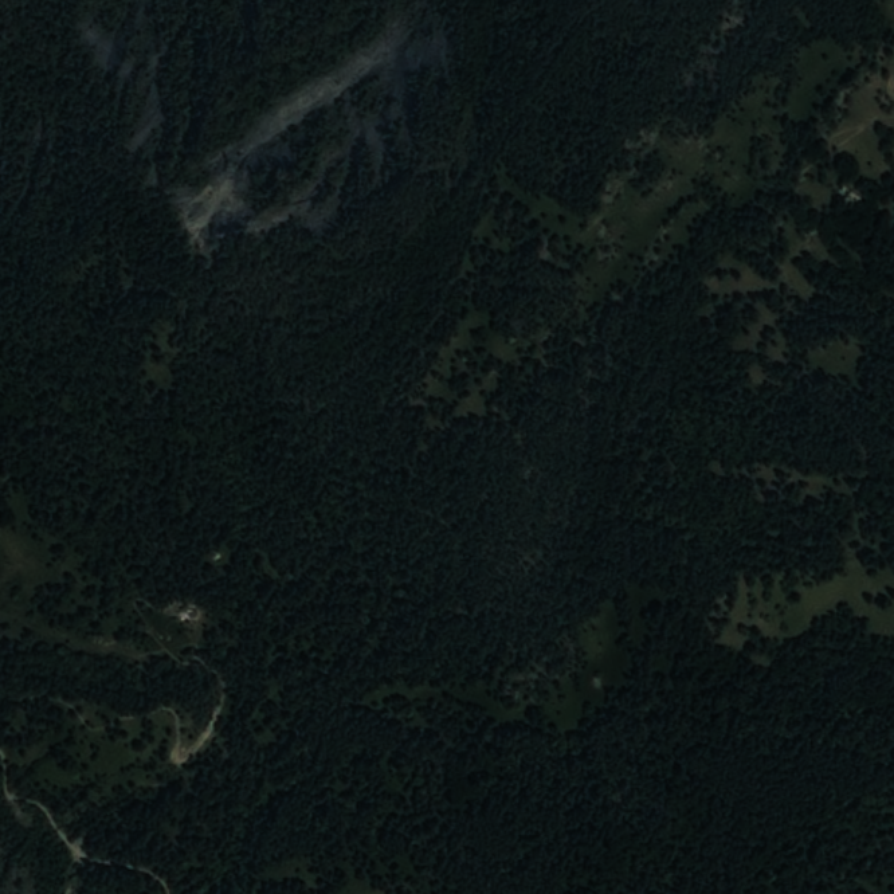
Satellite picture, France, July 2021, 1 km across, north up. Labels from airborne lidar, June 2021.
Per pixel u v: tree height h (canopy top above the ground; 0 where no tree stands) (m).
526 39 16
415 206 21
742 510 10
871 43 19
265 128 0
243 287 15
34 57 14
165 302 20
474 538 20
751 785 29
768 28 15
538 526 16
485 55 11
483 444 30
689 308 29
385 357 21
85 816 7
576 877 20
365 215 15
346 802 13
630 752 15
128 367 25
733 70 15
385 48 0
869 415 26
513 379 16
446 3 7
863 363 13
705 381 9
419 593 26
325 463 15
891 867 11
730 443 10
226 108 9
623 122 16
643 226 0
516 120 13
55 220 16
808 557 20
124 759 0
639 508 9
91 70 11
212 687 14
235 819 24
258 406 14
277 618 14
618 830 31
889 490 13
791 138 15
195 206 0
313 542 19
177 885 17
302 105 0
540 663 16
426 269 14
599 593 21
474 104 9
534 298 15
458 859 24
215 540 19
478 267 11
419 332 21
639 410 7
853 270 15
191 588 25
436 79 8
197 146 19
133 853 26
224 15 12
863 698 21
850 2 23
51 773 0
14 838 9
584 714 7
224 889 6
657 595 0
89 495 20
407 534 24
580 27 19
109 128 16
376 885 11
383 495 25
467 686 11
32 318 17
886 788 11
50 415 10
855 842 20
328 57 9
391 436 24
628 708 18
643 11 13
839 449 25
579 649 8
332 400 11
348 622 24
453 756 27
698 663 19
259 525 22
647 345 19
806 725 24
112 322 27
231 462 13
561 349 12
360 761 22
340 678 25
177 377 10
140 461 24
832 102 12
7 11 10
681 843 14
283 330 14
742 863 25
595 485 13
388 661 25
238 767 13
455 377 11
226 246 10
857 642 15
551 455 23
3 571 0
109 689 23
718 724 23
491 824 27
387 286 17
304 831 18
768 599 12
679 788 20
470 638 24
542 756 32
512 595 15
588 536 23
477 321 0
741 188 0
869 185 12
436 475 22
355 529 27
